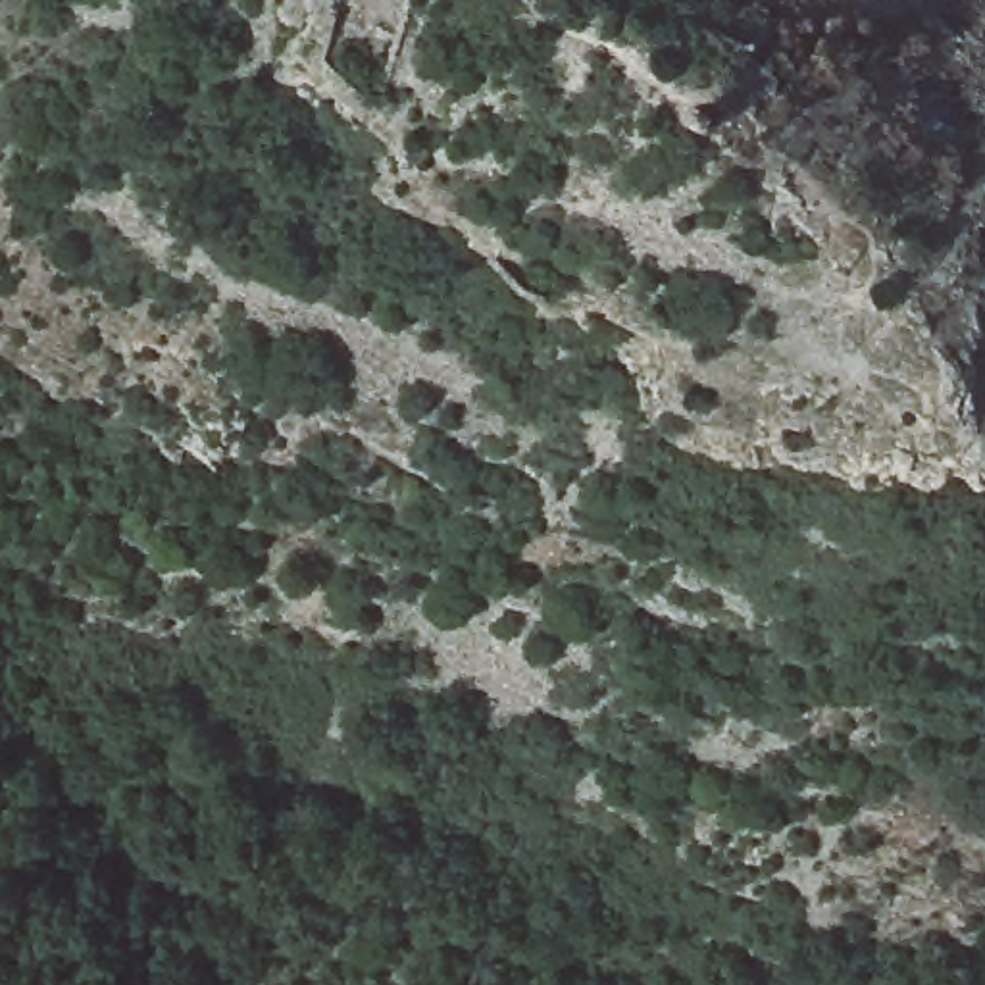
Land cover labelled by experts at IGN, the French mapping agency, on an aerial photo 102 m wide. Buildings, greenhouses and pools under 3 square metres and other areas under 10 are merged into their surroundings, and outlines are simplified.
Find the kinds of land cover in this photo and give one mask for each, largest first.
<instances>
[{"label":"deciduous trees","instance_id":"1","mask_svg":"<svg viewBox=\"0 0 985 985\"><path fill-rule=\"evenodd\" d=\"M115 8L119 0H0V300L15 292L27 265L46 258L54 265V292L100 289L112 300V308H131L142 300L150 308V319L181 323L189 316H204L215 296V285H208L204 277H189L185 265L189 254L200 246L235 281H254L296 300L331 304L346 316H369L385 331L423 323L427 335L419 339V346L458 354L477 373L473 396L504 419V435H481V442L469 450L458 442L466 408L431 381H408L400 385V412L416 435L412 462H423L427 477H412L396 462L369 454L354 435L327 431L308 435L292 466H269L265 450H277L285 442V435H277L281 416H316L327 408L342 412L358 400L354 354L327 327L269 331L246 312L242 300L227 304L219 335H200L192 346L204 358V369L219 373V408L196 400L181 404L173 385L158 392L150 385H123V354L100 339V327H85L77 335V346L85 354L96 350L108 362L96 400H54L35 377L0 362V985H985V870L962 866L947 889L950 897H958L962 923H970L977 935L973 947H962L950 931H927L908 943L877 939V916L870 908L843 912L835 927H812L804 893L796 885L777 881L770 889H758L754 900H743V885L785 870L781 854L746 866V854L770 843V835L781 823L820 816L823 823H839L858 808H881L889 796H904L916 808V816L950 812L970 835L985 839V489L973 493L962 477H947L943 489L920 493L900 481L889 485L881 477H866V489H850L843 477L827 473H800L785 466L735 469L704 454L677 450V435H689L693 427L681 416L658 419L639 408L635 373L619 362V346L631 342L623 327L608 323L600 312L589 316V327H577L573 319L535 316L543 300H562L577 292V277L585 269L604 281V289L635 281L639 312L646 319H658L662 331L689 339L696 362L731 354L735 331L777 339V312L770 308L766 292L720 269H662L658 258H635L619 227H608L604 219L589 215H566L562 189L566 177L577 181L604 169L608 189L616 196L658 200L669 189L696 177L704 189L700 212L681 215L677 231H720L743 254L770 258L777 265L816 262V242L808 235H800L789 219H770L762 212L773 200L762 189V150H770V142L758 112L746 108L750 96L766 92L762 65L773 54H789L796 65H808L823 31V19L796 23L793 8L781 0H412L404 35L416 42V73L423 81L442 85L435 112L427 115L412 88L396 85L385 73V54L373 50L369 38L346 35L350 0H331L335 19L327 65L358 92L362 104L396 108L400 115H408L404 146L416 169L435 165V150H446L450 158L500 162L496 177L439 173L435 189H442L454 212L469 215L481 227H493L504 239V246L523 254V262H504L469 250L454 227H435L419 215L385 208L373 196V181L385 142L373 139L362 123L342 119L327 96L312 104L300 100L296 88L277 81L273 65H262L254 77H239V62L254 46L250 27L262 15L265 0H131V27L112 31L85 27L73 15V8ZM589 19L604 23V38L643 50L662 81H673L681 88L712 85L723 92L720 100L696 108L704 119L696 135L681 127L673 104L650 108L646 100H639L635 81L604 50H589L585 88L566 92L558 38L566 31H585ZM123 173L135 185L139 208L169 219V250L158 262L146 250L131 246V239L104 212H73L77 192H115ZM585 412H604L619 419V462L608 466L593 454ZM204 419H242V431H227L231 442H242V454L215 466L196 462L185 450V439H208L212 431ZM527 466L546 469L558 496H566V489L573 485L581 493L573 508L581 535L593 543L619 546V558H593L581 566L523 562V546L546 535L543 493L531 477H523ZM308 593H323L331 623L346 627L350 643H327L323 635L281 619V608ZM519 593L535 600L543 612L535 639L523 646V658L550 677V696L539 712L496 716L489 693H481L473 681H454L450 689L442 685L435 650L416 646V631L400 627V608L412 600L435 627L454 631L466 627L477 612H485L489 600ZM646 596H666L685 612H704L708 627L669 623L646 612ZM723 720H758L766 723V731L785 735L789 750H773L750 770L704 762L693 754V746L696 739L716 735Z\"/></svg>","mask_w":985,"mask_h":985},{"label":"bare soil","instance_id":"2","mask_svg":"<svg viewBox=\"0 0 985 985\"><path fill-rule=\"evenodd\" d=\"M73 15L85 27L112 31L131 27V0H119L115 8H73ZM335 19L331 0H265L262 15L250 27L254 46L239 62V77H254L262 65H273L277 81L296 88L300 100L312 104L327 96L342 119L362 123L373 139L385 142L373 181V196L385 208L419 215L435 227H454L469 250L504 262H523V254L504 246V239L493 227H481L469 215L454 212L442 189H435L439 173L496 177L500 162L450 158L446 150H435V165L416 169L404 146L408 115H400L396 108L362 104L358 92L327 65ZM412 0H350L346 35L369 38L373 50L385 54V73L396 85L412 88L427 115L435 112L442 85L423 81L416 73V42L404 35ZM793 8L796 23L823 19V31L808 65H796L789 54H773L762 65L766 92L750 96L746 108L758 112L770 142V150H762V189L773 200L762 212L770 219H789L800 235H808L816 242V262L777 265L770 258L743 254L720 231H677L681 215L700 212L704 189L696 177L669 189L658 200L616 196L608 189L604 169L577 181L566 177L562 189L566 215H589L604 219L608 227H619L635 258H658L662 269H720L766 292L770 308L777 312V339L735 331L731 354L696 362L689 339L662 331L658 319H646L639 312L635 281L604 289V281L585 269L577 277V292L562 300H543L535 316L573 319L577 327H589V316L600 312L608 323L623 327L631 342L619 346V362L635 373L639 408L658 419L681 416L693 427L689 435H677V450L704 454L735 469L785 466L800 473H827L843 477L850 489H866V477H881L889 485L900 481L920 493L943 489L947 477H962L973 493L985 489V0H781ZM604 23L589 19L585 31H566L558 38L566 92L585 88L589 50H604L635 81L639 100H646L650 108L673 104L681 127L696 135L704 119L696 108L720 100L723 92L712 85L681 88L673 81H662L643 50L604 38ZM73 212H104L131 239V246L146 250L158 262L169 250V219L139 208L135 185L123 173L115 192H77ZM185 265L189 277H204L208 285H215V296L204 316H189L181 323L150 319V308L142 300L131 308H112V300L100 289L54 292V265L46 258L27 265L15 292L0 300V362L35 377L54 400H96L108 362L96 350L85 354L77 346V335L85 327H100V339L123 354V385H150L158 392L173 385L181 404L196 400L219 408V373L204 369V358L192 346L200 335H219L227 304L242 300L246 312L269 331L327 327L354 354L358 400L342 412L327 408L316 416H281L277 435H285V442L277 450H265L269 466H292L308 435L327 431L354 435L369 454L396 462L412 477H427L423 462H412L416 435L400 412V385L408 381H431L466 408L458 442L469 450L481 442V435H504V419L473 396L477 373L458 354L419 346V339L427 335L423 323L385 331L369 316H346L331 304L296 300L254 281H235L200 246L189 254ZM593 454L608 466L619 462V419L604 412H585ZM212 431L208 439H185V450L196 462L215 466L242 454V442H231L227 431H242V419H204ZM523 477H531L543 493L546 535L523 546V562L581 566L593 558H619V546L593 543L581 535L573 508L581 493L573 485L566 489V496H558L546 469L527 466ZM281 619L323 635L327 643H350L346 627L331 623L323 593H308L281 608ZM543 612L535 600L519 593L489 600L485 612H477L466 627L454 631L435 627L412 600L400 608V627L416 631V646L435 650L442 685L450 689L454 681H473L481 693H489L496 716L539 712L550 696V677L523 658V646L535 639ZM646 612L669 623L708 627L704 612H685L666 596H646ZM773 750H789L785 735L766 731V723L758 720H723L716 735L696 739L693 746V754L704 762L750 770ZM781 854L785 870L743 885V900H754L758 889H770L777 881L796 885L804 893L812 927H835L843 912L870 908L877 916V939L908 943L927 931H950L962 947H973L977 935L970 923H962L958 897H950L947 889L962 866L985 870V839L970 835L950 812L916 816V808L904 796H889L881 808H858L839 823H823L820 816L781 823L770 835V843L746 854V866Z\"/></svg>","mask_w":985,"mask_h":985}]
</instances>
